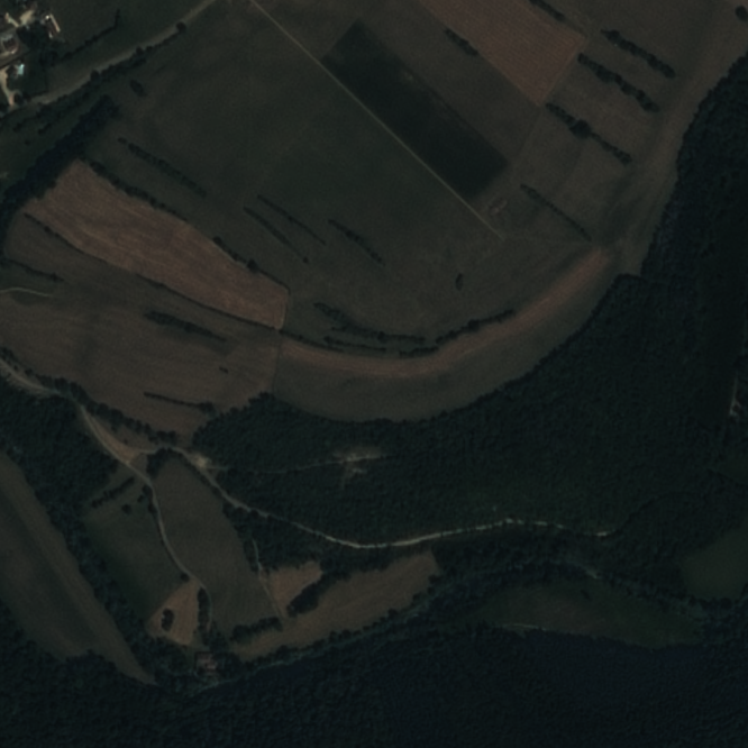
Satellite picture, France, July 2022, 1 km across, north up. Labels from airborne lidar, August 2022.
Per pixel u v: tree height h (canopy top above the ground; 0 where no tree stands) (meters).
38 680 25
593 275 0
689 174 17
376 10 0
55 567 0
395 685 18
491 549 24
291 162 0
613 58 0
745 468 0
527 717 21
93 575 14
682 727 17
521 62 0
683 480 22
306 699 23
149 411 0
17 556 0
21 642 16
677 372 20
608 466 10
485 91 0
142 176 0
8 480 0
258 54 0
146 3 0
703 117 11
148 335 0
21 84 0
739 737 21
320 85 0
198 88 0
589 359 18
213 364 0
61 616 0
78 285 0
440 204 0
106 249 0
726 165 10
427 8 0
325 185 0
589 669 27
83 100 8
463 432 9
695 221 22
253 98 0
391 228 0
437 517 10
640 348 13
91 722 22
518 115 0
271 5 0
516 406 12
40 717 21
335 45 0
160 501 0
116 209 0
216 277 0
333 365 0
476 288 0
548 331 0
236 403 0
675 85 0
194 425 0
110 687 24
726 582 0
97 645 0
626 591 7
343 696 19
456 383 0
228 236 0
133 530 0
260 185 0
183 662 15
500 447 13
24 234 0
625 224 0
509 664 20
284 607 0
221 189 0
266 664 12
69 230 0
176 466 0
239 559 0
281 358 0
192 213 0
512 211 0
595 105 0
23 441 16
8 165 0
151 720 20
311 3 0
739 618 18
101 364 0
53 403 14
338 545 10
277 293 0
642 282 15
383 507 6
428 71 0
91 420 0
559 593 0
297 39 0
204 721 19
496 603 0
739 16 11
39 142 0
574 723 21
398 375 0
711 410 9
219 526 0
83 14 0
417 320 0
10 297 0
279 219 0
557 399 7
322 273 0
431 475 10
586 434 15
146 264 0
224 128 0
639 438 15
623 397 16
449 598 20
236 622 0
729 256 9
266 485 6
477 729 15
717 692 18
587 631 0
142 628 17
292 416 12
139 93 11
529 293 0
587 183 0
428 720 19
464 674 13
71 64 0
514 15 0
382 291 0
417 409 0
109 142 0
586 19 0
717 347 8
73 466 9
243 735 24
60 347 0
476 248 0
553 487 8
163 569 0
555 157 0
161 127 0
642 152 0
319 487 7
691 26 0
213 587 0
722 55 0
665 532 21
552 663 25
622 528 13
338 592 0
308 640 0
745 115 16
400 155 0
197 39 0
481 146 0
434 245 0
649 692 27
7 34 0
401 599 0
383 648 18
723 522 23
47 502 10
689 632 0
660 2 0
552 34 0
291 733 21
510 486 8
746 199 11
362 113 0
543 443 9
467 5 0
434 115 0
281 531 15
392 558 18
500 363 0
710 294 7
